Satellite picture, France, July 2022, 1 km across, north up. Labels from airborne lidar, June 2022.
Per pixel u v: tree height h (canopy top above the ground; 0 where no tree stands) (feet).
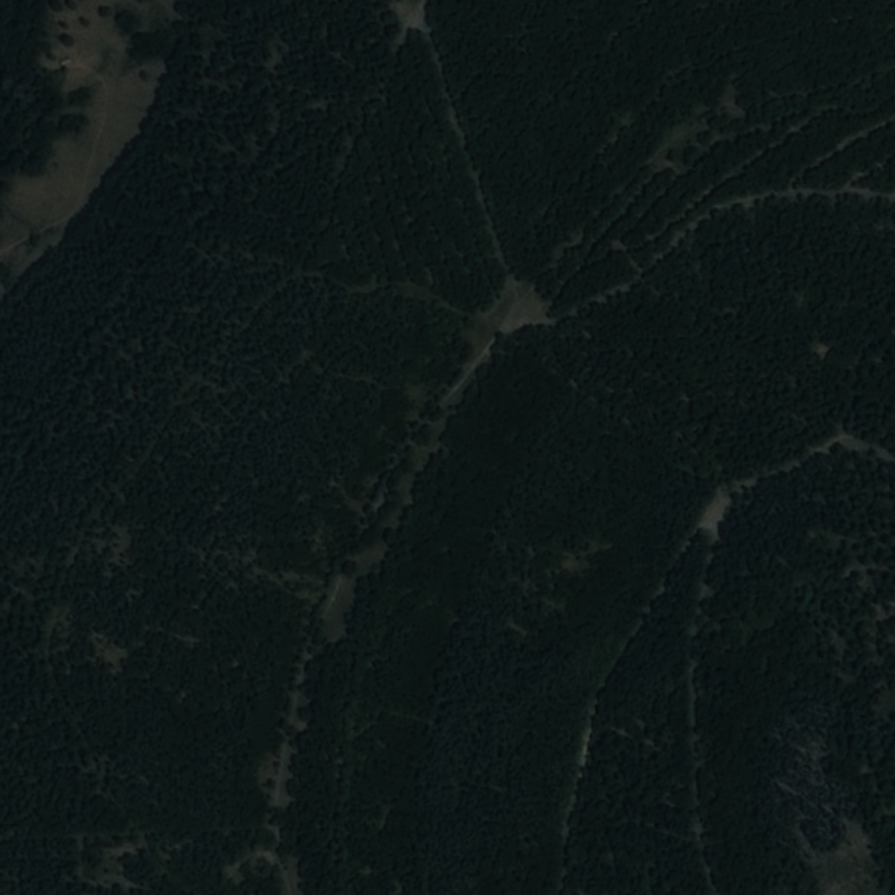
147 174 65
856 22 33
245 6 62
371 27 47
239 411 27
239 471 21
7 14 81
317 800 48
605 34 42
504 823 31
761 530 60
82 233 74
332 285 23
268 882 30
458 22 38
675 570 31
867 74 39
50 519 43
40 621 37
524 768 29
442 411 47
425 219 39
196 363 22
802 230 55
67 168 0
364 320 49
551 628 31
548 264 25
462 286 32
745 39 37
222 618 33
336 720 49
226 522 47
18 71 52
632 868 33
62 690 29
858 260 59
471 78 36
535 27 44
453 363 22
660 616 51
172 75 46
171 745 31
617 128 35
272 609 31
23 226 0
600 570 24
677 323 50
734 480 56
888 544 68
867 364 30
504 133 44
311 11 37
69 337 52
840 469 61
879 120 35
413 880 26
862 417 66
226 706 26
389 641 46
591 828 32
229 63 57
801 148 51
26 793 48
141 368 49
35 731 46
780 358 65
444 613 28
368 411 38
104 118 0
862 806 49
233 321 38
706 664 42
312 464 38
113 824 42
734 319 55
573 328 50
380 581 45
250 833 42
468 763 58
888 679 38
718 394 57
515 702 57
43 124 31
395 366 31
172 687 23
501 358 29
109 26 0
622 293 51
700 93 36
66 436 33
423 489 52
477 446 36
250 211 46
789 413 60
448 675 37
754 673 54
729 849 40
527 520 39
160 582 33
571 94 32
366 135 33
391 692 35
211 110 55
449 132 40
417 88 41
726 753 42
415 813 32
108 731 31
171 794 41
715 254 51
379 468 22
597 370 54
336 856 34
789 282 54
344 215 39
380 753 25
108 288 62
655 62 37
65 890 50
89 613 43
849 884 0
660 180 43
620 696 32
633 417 53
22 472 31
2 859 43
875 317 38
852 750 40
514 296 0
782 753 71
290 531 33
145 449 46
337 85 37
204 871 43
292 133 40
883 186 35
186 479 49
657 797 27
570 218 42
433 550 33
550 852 26
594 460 31
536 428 38
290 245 43
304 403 55
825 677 41
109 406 43
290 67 40
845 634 63
